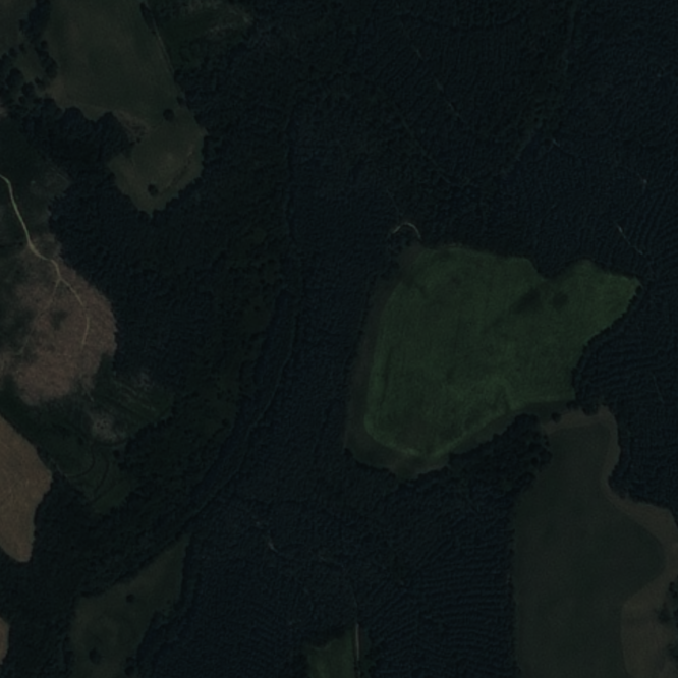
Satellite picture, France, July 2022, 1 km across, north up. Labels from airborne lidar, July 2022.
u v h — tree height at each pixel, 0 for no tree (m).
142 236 19
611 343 24
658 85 28
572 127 18
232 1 17
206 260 29
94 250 17
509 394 0
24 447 0
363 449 0
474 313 0
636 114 26
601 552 0
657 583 0
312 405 23
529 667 0
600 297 0
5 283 0
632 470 24
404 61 26
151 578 0
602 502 0
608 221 28
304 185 22
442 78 22
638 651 0
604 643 0
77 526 20
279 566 25
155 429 21
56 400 0
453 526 26
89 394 0
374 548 25
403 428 0
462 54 24
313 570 21
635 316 20
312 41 16
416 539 22
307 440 22
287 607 24
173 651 25
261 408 29
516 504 15
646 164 21
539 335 0
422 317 0
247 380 8
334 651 0
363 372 0
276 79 24
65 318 0
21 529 0
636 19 23
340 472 23
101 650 0
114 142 29
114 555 21
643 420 23
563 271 11
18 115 15
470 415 0
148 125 0
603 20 19
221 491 17
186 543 0
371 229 19
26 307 0
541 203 21
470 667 26
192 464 12
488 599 20
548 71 21
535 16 19
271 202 15
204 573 25
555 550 0
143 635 0
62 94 0
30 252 0
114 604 0
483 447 16
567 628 0
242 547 24
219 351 9
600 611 0
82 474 0
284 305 28
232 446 25
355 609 18
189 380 7
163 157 0
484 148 26
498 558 23
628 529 0
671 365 25
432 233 17
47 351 0
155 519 7
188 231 22
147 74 0
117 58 0
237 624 25
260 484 21
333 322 24
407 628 21
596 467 0
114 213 25
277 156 23
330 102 21
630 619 0
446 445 0
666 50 20
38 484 0
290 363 14
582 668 0
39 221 0
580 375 16
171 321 24
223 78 19
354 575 18
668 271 18
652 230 27
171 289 25
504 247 15
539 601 0
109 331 0
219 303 8
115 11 0
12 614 20
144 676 18
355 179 20
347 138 21
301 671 11
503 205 25
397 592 28
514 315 0
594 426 0
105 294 17
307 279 23
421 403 0
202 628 23
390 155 22
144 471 10
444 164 23
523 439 12
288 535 17
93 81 0
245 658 24
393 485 22
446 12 25
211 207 25
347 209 21
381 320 0
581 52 22
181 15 0
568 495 0
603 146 20
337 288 20
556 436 0
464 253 0
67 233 26
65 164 22
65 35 0
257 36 23
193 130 0
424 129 16
